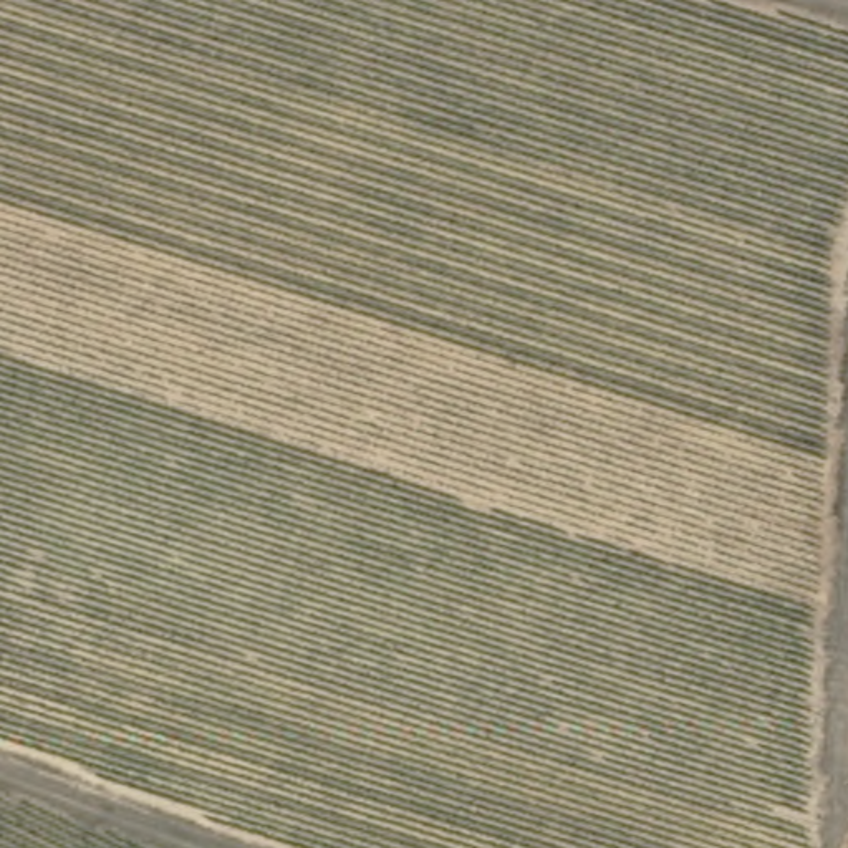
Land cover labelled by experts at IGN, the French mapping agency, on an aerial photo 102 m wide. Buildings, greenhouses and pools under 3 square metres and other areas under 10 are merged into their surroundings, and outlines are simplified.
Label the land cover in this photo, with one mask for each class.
<instances>
[{"label":"vineyard","instance_id":"1","mask_svg":"<svg viewBox=\"0 0 848 848\"><path fill-rule=\"evenodd\" d=\"M848 308V30H835L831 23L792 13L775 20L729 3L692 0H0V848H822L818 818L825 802V775L815 772V762L822 755V679L828 666L825 623L835 580L831 504L835 467L841 451V325Z\"/></svg>","mask_w":848,"mask_h":848},{"label":"herbaceous vegetation","instance_id":"2","mask_svg":"<svg viewBox=\"0 0 848 848\"><path fill-rule=\"evenodd\" d=\"M729 3L775 20L792 13L831 23L835 30H848V0H692ZM841 451L835 467L831 504L835 580L825 623L828 666L822 679V755L815 762V772L825 775V802L818 818L822 848H848V308L841 325Z\"/></svg>","mask_w":848,"mask_h":848}]
</instances>
